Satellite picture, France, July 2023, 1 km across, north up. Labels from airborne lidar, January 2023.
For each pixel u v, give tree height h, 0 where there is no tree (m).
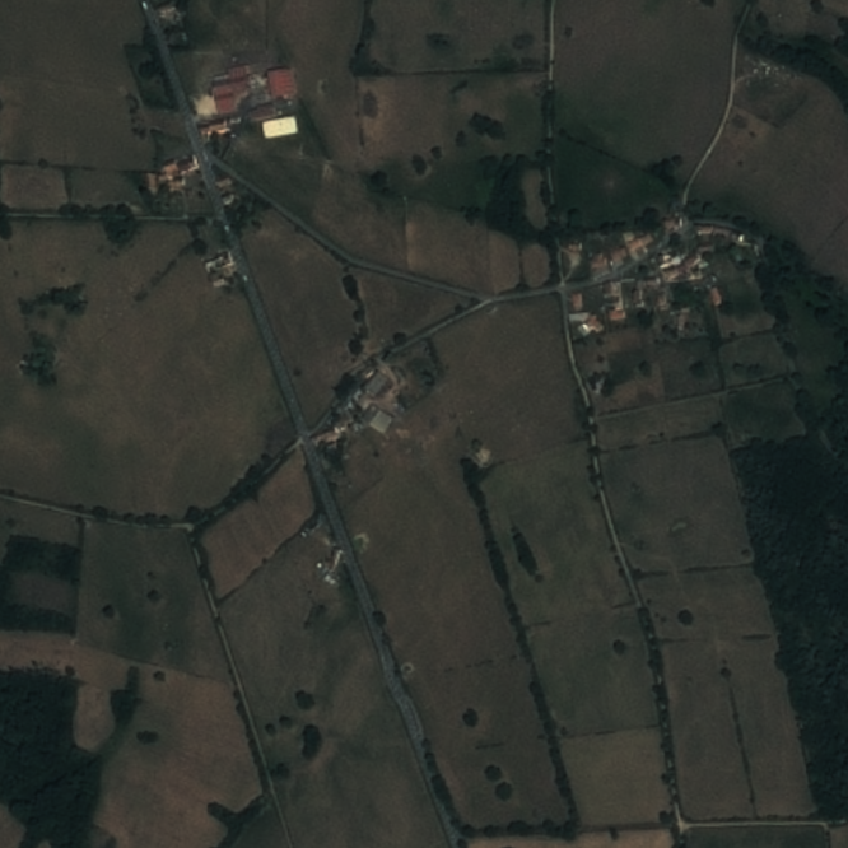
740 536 0
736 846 0
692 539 0
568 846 0
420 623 0
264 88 0
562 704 0
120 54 0
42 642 0
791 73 0
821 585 15
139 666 0
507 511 0
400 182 0
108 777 0
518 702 0
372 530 0
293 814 0
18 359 0
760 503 14
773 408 0
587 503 0
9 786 19
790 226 0
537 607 0
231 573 0
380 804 0
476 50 0
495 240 0
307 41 0
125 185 0
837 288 23
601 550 0
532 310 0
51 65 0
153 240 0
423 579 0
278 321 0
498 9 0
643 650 0
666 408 0
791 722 0
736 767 0
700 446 0
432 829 0
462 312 9
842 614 17
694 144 0
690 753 0
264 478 11
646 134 0
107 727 0
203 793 0
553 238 10
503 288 0
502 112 0
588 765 0
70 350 0
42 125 0
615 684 0
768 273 18
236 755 0
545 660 0
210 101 0
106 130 0
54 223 0
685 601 0
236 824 7
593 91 0
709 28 0
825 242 0
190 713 0
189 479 0
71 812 22
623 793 0
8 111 0
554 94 12
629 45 0
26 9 0
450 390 0
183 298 0
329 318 0
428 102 0
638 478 0
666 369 0
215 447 0
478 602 0
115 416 0
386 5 0
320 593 0
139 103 6
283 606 0
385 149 0
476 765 0
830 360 0
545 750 0
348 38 0
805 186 0
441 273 0
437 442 0
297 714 0
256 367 0
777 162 0
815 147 0
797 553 6
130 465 0
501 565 12
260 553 0
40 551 6
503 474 0
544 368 0
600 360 7
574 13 0
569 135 13
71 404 0
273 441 0
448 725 0
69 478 0
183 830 0
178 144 0
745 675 0
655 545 0
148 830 0
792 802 0
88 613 0
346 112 0
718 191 0
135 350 0
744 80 0
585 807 0
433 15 0
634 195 0
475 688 0
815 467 17
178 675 0
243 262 0
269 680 0
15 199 0
